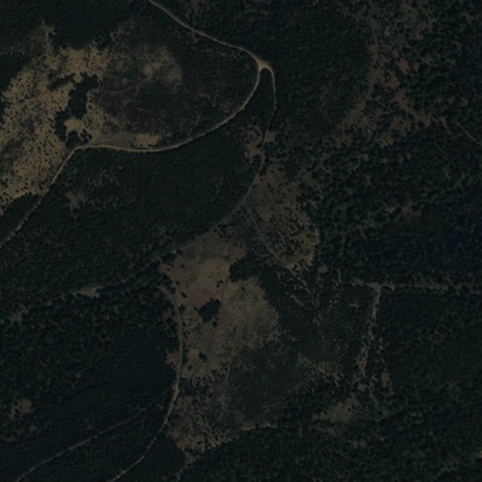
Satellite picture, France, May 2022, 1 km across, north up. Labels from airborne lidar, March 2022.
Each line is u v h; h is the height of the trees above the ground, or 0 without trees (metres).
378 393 6
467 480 19
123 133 0
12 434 13
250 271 7
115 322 18
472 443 17
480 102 25
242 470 23
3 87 9
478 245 17
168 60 0
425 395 23
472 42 23
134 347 13
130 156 7
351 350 10
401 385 13
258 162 6
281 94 11
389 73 18
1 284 7
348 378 8
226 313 0
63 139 12
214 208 11
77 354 26
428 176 9
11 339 23
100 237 8
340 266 11
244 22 12
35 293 10
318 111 7
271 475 20
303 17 7
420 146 20
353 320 7
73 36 12
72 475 12
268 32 8
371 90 0
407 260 22
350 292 7
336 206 16
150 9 9
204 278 0
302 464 18
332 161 7
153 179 6
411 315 12
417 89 16
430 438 27
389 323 9
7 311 9
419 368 16
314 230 7
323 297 10
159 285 14
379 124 13
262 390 0
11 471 16
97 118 0
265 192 0
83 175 6
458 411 23
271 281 7
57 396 17
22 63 8
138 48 0
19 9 6
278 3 10
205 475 13
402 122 8
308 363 0
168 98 0
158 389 19
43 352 14
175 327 10
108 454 11
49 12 9
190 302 0
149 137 0
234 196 14
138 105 0
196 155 9
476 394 23
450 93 26
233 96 6
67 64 0
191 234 11
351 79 8
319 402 16
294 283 10
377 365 8
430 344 14
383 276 16
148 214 7
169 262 9
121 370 13
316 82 10
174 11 12
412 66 10
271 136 0
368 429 10
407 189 18
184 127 0
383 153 19
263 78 11
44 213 15
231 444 11
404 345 9
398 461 23
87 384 12
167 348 15
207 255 0
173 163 8
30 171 0
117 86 0
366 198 23
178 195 9
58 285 10
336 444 15
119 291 13
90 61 0
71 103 11
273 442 16
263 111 9
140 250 6
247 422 0
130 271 11
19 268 12
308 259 0
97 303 10
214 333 0
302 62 13
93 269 6
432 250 23
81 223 15
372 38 8
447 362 17
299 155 6
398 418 28
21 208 12
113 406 15
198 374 0
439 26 20
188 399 0
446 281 7
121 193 9
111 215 9
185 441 0
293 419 20
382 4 7
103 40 8
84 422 14
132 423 12
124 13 13
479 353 11
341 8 7
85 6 13
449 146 17
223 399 0
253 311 0
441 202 13
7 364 13
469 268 14
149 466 8
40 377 17
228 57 7
